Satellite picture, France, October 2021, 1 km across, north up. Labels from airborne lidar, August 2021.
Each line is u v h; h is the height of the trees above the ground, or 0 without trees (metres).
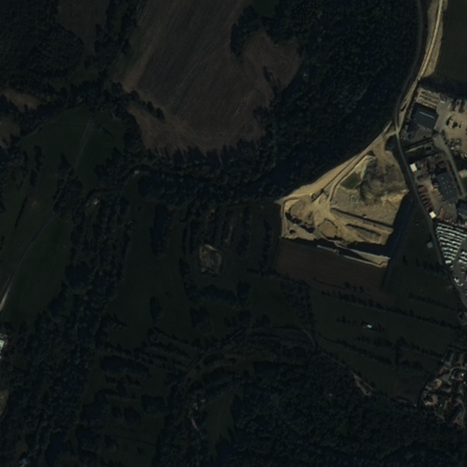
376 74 24
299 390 22
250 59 0
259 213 0
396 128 0
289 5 18
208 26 0
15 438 11
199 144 0
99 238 20
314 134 14
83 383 22
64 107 19
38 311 0
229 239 0
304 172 19
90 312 17
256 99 0
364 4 21
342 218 0
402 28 21
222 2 0
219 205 12
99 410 16
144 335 0
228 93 0
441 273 13
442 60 0
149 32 0
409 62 17
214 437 0
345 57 7
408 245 0
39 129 12
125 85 0
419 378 0
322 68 21
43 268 0
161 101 0
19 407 21
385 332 8
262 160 13
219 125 0
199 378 0
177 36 0
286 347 7
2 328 20
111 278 14
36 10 21
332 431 11
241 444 22
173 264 0
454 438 24
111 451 18
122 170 11
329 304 0
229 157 16
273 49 0
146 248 0
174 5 0
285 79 0
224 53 0
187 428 14
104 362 0
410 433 23
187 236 9
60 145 0
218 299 20
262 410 26
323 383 14
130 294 0
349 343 0
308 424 24
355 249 0
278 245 0
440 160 0
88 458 22
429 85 11
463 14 0
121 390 0
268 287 0
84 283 26
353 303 10
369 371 0
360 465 25
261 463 23
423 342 0
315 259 0
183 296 0
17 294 0
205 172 23
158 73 0
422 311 0
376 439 20
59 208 14
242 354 11
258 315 0
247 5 0
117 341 0
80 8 0
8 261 0
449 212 0
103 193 8
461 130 0
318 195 0
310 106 20
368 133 16
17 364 0
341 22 23
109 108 14
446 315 0
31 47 21
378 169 0
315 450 18
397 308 0
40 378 28
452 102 0
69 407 26
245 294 19
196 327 22
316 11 17
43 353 28
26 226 0
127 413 0
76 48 17
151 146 0
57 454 24
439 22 0
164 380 0
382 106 23
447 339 0
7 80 18
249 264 0
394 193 0
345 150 12
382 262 0
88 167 0
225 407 0
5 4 12
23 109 0
